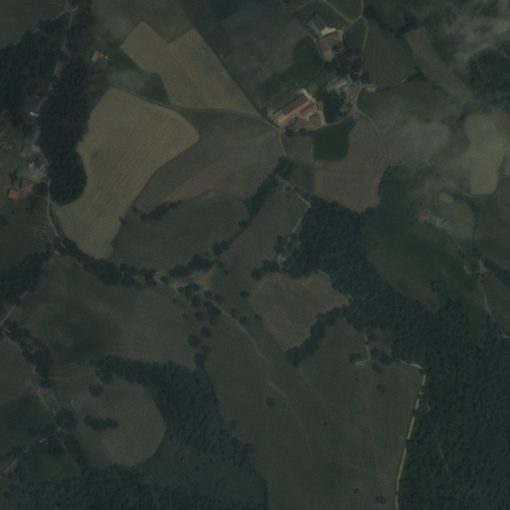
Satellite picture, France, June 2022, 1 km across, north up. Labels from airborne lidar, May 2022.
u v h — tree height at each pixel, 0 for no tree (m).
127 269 10
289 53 0
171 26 0
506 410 16
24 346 17
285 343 0
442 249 0
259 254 0
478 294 0
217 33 0
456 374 7
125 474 15
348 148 0
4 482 0
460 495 8
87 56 0
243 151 0
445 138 0
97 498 0
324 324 9
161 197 0
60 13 0
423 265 0
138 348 0
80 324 0
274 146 0
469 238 0
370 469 0
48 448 14
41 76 18
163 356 0
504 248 0
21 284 14
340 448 0
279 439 0
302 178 0
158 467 0
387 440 0
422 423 15
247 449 13
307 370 0
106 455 0
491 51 9
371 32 0
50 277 0
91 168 0
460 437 11
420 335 18
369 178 0
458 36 0
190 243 0
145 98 0
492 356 18
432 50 0
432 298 0
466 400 15
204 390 12
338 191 0
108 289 0
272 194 0
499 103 13
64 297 0
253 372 0
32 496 11
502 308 0
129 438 0
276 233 0
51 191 12
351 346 0
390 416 0
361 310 17
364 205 0
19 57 15
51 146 19
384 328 15
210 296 12
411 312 16
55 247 10
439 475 15
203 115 0
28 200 7
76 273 0
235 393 0
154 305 0
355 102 0
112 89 0
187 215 0
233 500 0
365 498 0
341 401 0
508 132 0
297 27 0
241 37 0
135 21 0
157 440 0
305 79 0
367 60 0
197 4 0
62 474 0
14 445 0
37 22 0
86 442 0
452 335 26
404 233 0
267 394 0
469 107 15
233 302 0
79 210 0
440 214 13
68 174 11
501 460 0
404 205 0
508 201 0
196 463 0
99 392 20
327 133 0
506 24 0
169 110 0
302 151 0
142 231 0
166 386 17
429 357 13
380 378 0
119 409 0
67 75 18
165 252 0
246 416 0
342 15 0
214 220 0
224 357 0
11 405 0
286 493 0
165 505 9
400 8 12
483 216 0
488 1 0
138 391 0
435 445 14
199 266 16
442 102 0
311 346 18
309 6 0
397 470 0
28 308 0
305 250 19
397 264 0
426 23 18
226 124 0
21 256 0
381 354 11
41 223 0
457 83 0
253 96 0
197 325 0
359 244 15
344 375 0
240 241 0
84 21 17
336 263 17
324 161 0
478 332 0
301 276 10
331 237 12
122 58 0
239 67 0
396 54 0
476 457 0
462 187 0
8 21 0
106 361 15
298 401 0
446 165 0
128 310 0
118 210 0
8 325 10
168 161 0
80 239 0
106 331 0
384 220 0
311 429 0
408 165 0
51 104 20
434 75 0
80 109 18
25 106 0
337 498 0
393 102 0
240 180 0
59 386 0
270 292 0
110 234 0
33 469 0
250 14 0
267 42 0
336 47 8
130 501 10
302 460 0
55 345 0
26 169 0
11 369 0
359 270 17
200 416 8
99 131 0
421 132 0
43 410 0
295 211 0
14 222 0
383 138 0
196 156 0
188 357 0
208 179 0
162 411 7
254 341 0
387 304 14
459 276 0
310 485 0
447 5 7
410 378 0
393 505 0
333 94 0
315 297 0
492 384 21
